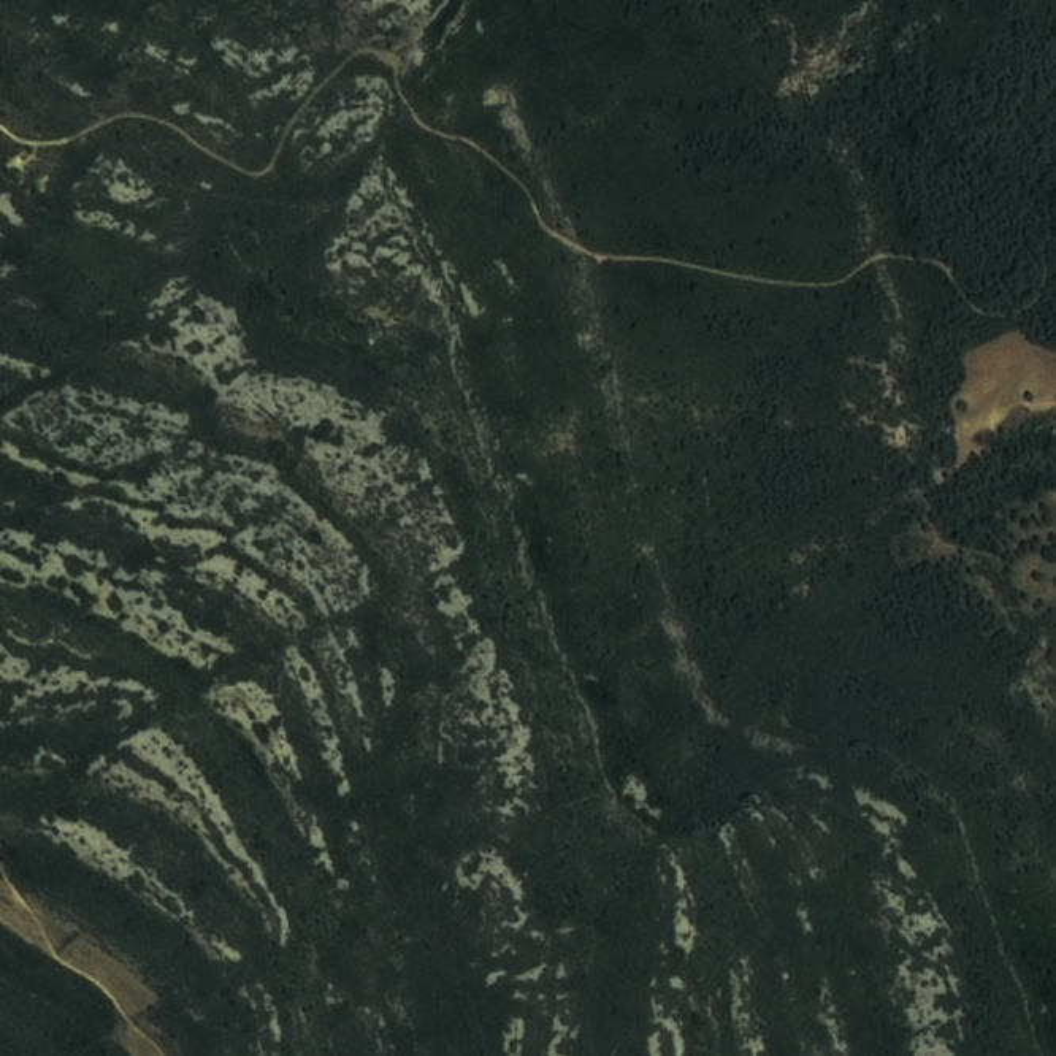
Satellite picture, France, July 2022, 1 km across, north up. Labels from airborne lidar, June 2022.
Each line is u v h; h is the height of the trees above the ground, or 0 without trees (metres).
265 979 0
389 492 0
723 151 10
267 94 0
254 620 0
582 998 0
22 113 0
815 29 7
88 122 0
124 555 0
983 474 11
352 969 0
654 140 0
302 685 0
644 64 0
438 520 0
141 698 0
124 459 0
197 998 0
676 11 8
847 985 0
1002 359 0
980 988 8
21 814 0
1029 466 10
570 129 10
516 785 0
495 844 0
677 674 0
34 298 0
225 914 0
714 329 12
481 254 0
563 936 0
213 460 0
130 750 0
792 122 12
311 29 0
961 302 8
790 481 13
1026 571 0
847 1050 0
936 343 10
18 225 0
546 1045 0
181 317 0
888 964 0
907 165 15
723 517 11
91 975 0
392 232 0
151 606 0
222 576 0
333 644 0
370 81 0
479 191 0
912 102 18
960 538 13
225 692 0
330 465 0
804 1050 0
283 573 0
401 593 0
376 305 0
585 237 7
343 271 0
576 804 0
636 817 7
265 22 0
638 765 7
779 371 10
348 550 0
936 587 10
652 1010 0
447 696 0
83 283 0
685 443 7
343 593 0
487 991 0
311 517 0
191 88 0
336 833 0
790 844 0
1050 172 11
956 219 12
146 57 0
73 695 0
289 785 0
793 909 0
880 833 0
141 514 0
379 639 0
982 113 11
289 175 0
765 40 11
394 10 0
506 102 0
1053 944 7
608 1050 0
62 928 0
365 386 0
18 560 0
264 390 0
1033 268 15
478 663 0
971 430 0
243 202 0
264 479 0
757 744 0
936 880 0
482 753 0
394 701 0
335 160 0
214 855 0
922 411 7
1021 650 9
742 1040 0
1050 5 6
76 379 0
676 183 0
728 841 0
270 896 0
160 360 0
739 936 0
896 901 0
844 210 0
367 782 0
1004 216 18
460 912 0
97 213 0
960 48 0
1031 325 9
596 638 8
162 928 0
